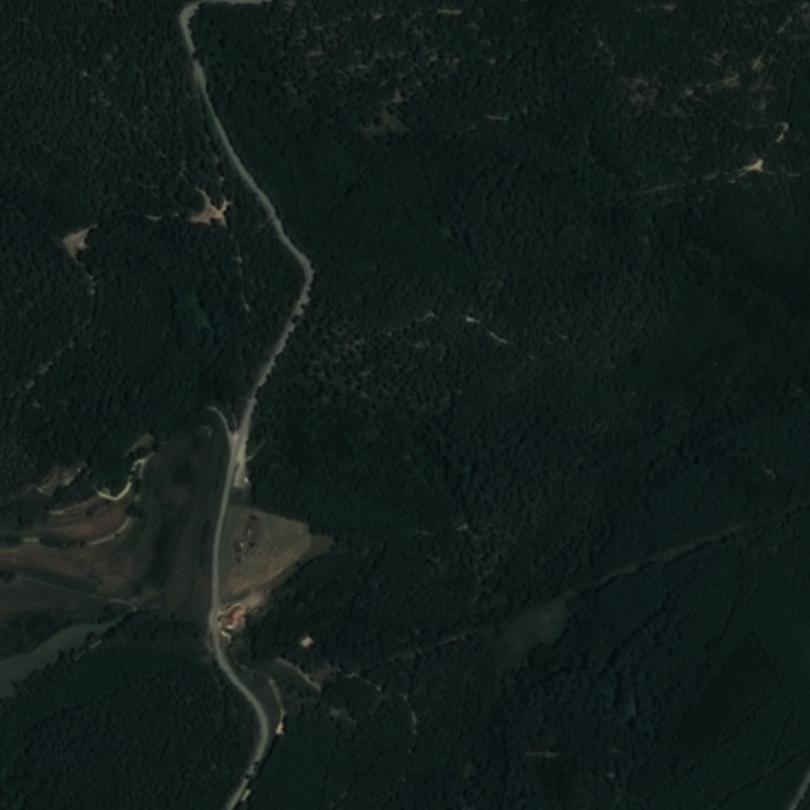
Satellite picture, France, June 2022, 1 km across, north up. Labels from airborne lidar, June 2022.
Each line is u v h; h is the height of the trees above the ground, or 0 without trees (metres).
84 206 12
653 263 18
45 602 0
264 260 9
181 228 20
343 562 21
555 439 30
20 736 14
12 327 15
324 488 16
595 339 22
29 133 15
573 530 22
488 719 26
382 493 18
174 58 19
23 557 0
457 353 21
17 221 23
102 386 16
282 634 19
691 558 18
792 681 12
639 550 19
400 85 25
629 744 34
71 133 12
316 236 23
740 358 16
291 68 15
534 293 27
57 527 0
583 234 27
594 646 26
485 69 16
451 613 31
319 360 29
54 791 8
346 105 18
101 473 17
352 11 16
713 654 15
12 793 13
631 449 18
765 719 11
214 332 21
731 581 16
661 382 14
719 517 18
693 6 14
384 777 19
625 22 12
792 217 12
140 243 26
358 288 20
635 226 26
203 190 19
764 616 12
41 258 22
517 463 27
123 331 23
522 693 25
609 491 24
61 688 8
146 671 7
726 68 9
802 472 22
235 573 0
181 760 10
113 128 15
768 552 11
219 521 0
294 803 11
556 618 0
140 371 15
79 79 15
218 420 0
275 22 14
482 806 31
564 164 28
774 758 7
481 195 33
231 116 22
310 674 29
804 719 13
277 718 0
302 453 12
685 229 18
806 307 25
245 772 13
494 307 21
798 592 13
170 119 13
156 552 0
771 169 6
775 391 22
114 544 0
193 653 7
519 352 14
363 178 17
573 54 18
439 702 10
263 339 10
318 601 12
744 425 25
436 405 13
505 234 29
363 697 17
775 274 21
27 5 17
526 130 14
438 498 17
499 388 20
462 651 18
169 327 8
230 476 0
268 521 0
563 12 15
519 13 17
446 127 22
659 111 9
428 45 20
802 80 15
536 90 20
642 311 20
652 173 14
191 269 25
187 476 0
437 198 19
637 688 36
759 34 16
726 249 21
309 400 15
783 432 23
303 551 0
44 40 15
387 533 22
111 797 13
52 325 17
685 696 11
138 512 17
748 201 8
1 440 17
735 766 12
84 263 15
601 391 17
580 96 22
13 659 0
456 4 15
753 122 8
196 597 0
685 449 19
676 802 10
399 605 31
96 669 9
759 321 19
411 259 18
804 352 18
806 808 14
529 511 27
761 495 17
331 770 23
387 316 18
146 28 21
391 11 21
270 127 18
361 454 18
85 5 22
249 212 20
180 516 0
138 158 11
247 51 18
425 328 24
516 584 14
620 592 23
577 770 8
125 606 0
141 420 21
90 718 11
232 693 13
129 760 11
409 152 19
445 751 24
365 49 24
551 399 24
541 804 33
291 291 11
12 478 10
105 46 18
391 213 16
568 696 39
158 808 9
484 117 20
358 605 28
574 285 14
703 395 12
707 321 15
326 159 19
